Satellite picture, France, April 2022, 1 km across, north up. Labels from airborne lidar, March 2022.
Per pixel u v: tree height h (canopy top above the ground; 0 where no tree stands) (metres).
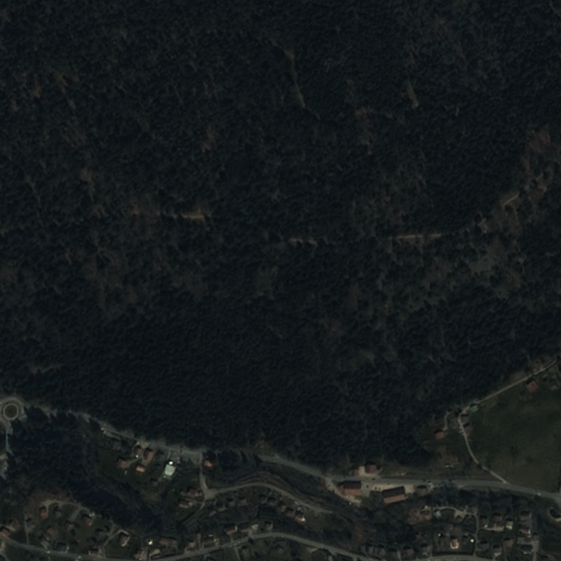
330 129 19
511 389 0
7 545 0
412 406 25
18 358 32
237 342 26
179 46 17
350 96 22
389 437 27
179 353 27
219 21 25
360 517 10
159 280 24
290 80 29
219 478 19
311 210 15
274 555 0
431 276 22
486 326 23
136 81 11
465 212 18
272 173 19
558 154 23
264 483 0
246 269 17
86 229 17
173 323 37
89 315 29
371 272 16
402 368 25
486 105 20
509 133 14
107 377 31
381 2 12
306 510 0
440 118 13
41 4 9
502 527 0
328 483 0
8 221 38
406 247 19
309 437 27
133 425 30
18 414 0
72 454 31
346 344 18
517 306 22
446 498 22
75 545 6
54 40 30
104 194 36
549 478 0
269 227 22
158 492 0
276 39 18
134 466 0
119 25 27
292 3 16
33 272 31
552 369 0
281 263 11
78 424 18
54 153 34
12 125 29
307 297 25
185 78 34
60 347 24
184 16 30
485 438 0
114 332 32
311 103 15
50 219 33
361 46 12
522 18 37
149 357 29
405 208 24
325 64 20
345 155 20
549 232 17
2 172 15
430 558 0
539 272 21
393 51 19
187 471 18
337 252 24
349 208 19
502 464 0
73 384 31
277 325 20
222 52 25
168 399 26
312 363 24
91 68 8
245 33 29
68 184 31
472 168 20
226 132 18
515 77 22
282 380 26
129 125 26
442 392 31
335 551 0
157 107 23
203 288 19
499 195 14
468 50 34
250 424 26
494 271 9
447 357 7
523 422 0
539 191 13
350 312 24
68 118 36
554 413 0
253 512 0
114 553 0
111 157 35
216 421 31
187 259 11
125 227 22
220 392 27
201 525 0
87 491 31
